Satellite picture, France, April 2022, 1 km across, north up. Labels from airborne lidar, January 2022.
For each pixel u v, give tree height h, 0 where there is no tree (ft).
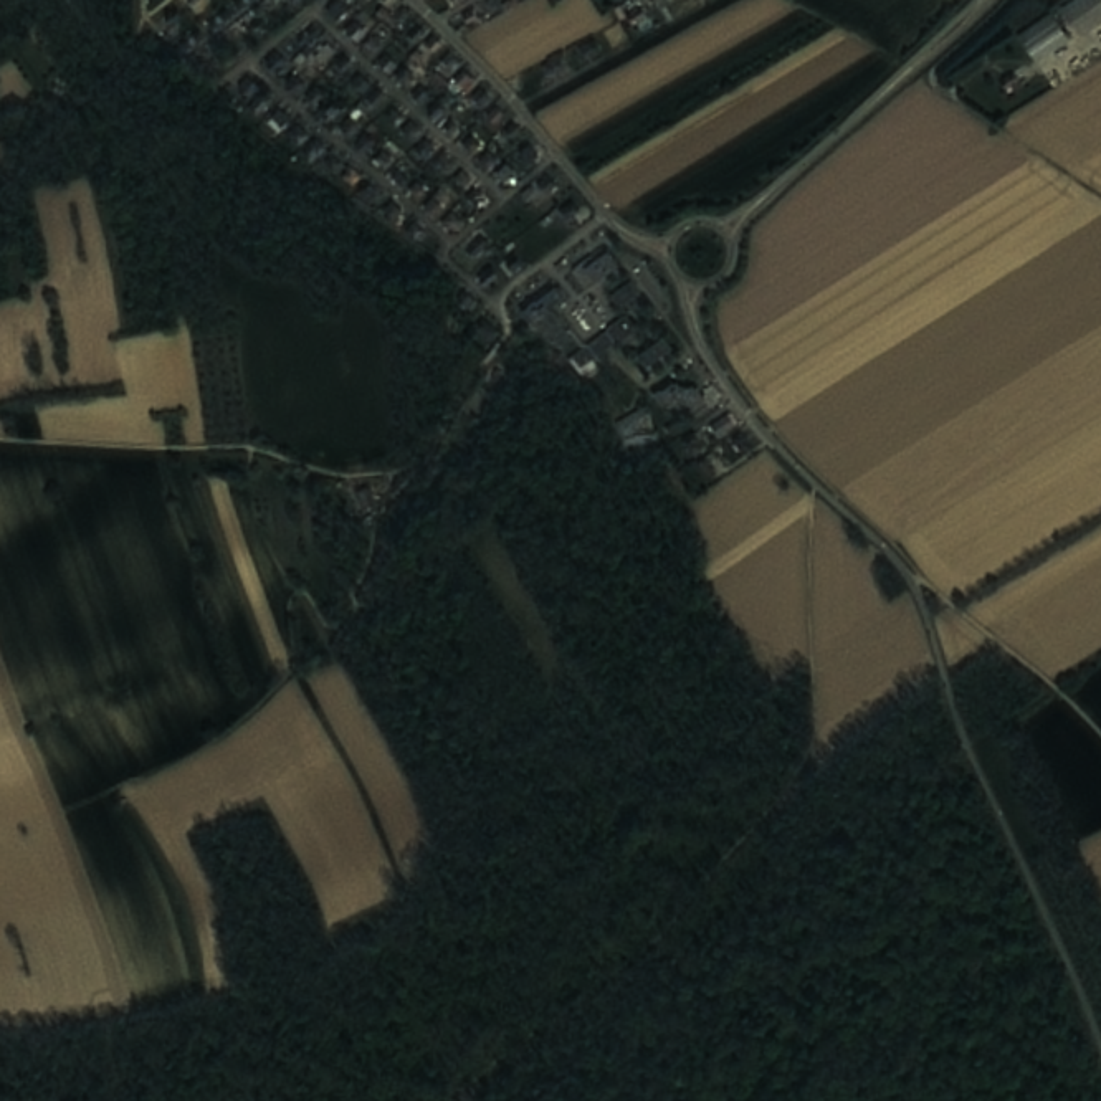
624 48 0
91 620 0
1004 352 0
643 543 76
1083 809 0
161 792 0
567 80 0
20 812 0
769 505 0
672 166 0
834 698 0
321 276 70
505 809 82
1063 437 0
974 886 77
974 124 0
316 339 0
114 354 0
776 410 0
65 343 31
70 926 0
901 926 75
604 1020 93
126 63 87
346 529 73
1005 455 0
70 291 0
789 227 0
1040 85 0
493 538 0
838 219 0
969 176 0
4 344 0
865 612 0
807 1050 56
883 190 0
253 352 0
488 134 0
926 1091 83
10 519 0
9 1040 86
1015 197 0
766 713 100
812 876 104
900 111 0
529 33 0
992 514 0
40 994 0
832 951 100
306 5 23
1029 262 0
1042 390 0
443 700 57
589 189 0
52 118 74
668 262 0
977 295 0
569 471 71
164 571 0
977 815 62
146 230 23
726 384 0
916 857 82
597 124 0
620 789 87
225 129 46
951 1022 70
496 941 101
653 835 104
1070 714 0
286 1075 92
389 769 0
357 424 0
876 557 0
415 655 66
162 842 0
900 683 0
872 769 91
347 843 0
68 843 0
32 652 0
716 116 0
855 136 0
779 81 0
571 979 31
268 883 75
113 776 0
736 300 0
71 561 0
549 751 71
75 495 0
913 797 90
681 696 91
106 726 0
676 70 0
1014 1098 80
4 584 0
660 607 104
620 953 24
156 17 0
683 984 87
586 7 0
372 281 79
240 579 0
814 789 89
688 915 123
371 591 78
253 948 65
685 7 0
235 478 52
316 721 0
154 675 0
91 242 0
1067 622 0
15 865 0
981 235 0
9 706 0
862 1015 80
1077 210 0
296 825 0
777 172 32
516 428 70
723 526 0
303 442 0
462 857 69
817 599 0
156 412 20
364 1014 92
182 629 0
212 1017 80
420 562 68
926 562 0
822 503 0
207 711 0
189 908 0
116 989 0
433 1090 98
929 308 0
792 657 0
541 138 0
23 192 78
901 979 102
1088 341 0
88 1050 88
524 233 0
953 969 86
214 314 33
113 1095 93
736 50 0
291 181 54
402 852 0
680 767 76
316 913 49
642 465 85
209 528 0
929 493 0
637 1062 98
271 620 0
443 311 51
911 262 0
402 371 49
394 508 29
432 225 0
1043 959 47
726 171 0
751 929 68
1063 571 0
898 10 0
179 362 0
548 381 46
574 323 0
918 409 0
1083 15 0
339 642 69
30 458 0
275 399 0
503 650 67
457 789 73
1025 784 72
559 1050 90
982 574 0
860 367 0
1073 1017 78
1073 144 0
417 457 82
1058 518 0
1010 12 29
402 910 79
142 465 0
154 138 82
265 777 0
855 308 0
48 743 0
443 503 75
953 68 27
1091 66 0
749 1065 98
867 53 0
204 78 76
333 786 0
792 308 0
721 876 120
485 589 43
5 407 19
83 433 0
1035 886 0
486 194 0
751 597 0
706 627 100
